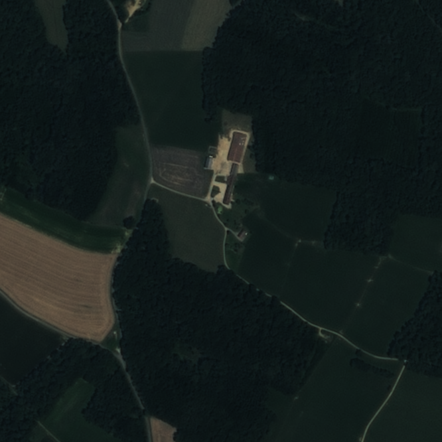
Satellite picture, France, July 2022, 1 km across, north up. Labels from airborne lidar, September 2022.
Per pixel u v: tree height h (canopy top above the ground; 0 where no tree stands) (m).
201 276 23
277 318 25
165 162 0
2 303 0
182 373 23
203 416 18
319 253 0
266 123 11
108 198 0
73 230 0
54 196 18
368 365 11
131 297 14
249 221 0
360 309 0
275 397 0
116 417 20
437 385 0
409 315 0
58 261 0
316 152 28
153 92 0
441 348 27
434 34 17
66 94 25
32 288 0
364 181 23
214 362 26
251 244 0
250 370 24
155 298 25
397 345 24
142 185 0
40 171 28
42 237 0
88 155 23
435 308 26
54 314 0
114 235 0
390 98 21
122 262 20
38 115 23
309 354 21
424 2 19
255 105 25
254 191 0
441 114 22
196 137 0
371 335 0
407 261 0
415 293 0
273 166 11
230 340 21
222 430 15
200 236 0
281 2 20
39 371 19
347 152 16
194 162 0
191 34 0
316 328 8
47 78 24
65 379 26
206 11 0
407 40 22
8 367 0
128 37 0
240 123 0
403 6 21
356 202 24
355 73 25
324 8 9
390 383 0
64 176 22
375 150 7
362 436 0
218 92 24
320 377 0
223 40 22
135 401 13
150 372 26
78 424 0
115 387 18
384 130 7
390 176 23
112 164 26
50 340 0
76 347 21
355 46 25
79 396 0
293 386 22
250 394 24
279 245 0
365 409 0
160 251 25
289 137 26
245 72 22
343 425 0
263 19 27
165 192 0
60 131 28
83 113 26
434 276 7
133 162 0
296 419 0
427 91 24
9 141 17
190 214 0
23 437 20
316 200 0
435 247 0
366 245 12
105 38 21
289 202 0
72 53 7
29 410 22
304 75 19
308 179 20
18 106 20
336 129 19
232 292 22
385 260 0
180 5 0
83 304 0
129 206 0
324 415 0
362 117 7
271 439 0
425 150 17
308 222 0
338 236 9
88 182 26
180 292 22
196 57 0
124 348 22
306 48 21
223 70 21
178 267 28
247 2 16
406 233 0
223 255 0
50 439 0
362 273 0
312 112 26
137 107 17
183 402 16
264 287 0
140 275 22
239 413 20
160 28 0
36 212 0
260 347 22
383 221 28
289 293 0
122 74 22
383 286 0
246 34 18
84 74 28
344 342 0
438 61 21
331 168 25
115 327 0
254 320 22
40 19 17
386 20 14
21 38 24
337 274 0
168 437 0
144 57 0
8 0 14
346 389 0
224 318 24
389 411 0
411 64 20
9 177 10
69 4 11
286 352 15
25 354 0
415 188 16
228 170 0
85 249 0
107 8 22
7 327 0
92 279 0
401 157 6
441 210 18
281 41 20
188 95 0
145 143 0
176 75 0
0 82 13
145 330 20
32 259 0
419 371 16
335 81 24
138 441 15
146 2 0
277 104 25
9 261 0
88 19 9
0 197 0
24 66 21
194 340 27
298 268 0
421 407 0
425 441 0
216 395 23
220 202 0
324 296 0
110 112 30
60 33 0
